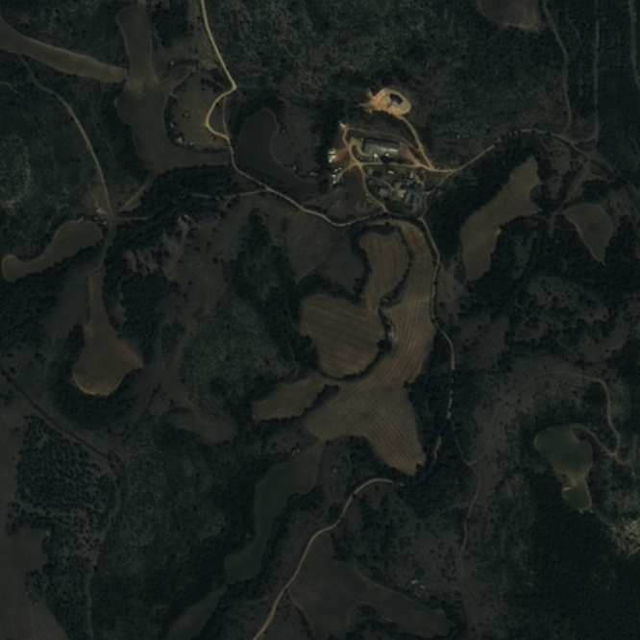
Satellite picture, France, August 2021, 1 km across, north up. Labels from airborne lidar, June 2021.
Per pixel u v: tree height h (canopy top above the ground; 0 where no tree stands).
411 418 0
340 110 8
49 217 8
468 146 0
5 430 0
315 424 0
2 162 0
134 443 0
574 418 11
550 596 11
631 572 10
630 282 9
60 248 0
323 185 9
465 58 9
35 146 0
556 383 0
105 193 0
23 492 8
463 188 11
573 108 7
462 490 6
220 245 0
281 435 0
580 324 8
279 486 0
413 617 0
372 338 0
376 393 0
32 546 0
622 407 0
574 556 11
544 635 6
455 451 9
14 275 0
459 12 7
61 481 8
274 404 0
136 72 0
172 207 13
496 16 0
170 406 6
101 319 0
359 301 9
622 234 6
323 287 9
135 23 0
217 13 0
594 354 0
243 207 0
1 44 0
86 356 0
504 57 12
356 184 0
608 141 6
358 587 0
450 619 7
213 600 0
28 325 10
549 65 8
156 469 0
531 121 0
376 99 0
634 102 11
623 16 8
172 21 16
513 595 7
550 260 7
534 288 0
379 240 0
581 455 0
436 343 11
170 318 0
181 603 6
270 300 8
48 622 0
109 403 9
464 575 0
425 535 0
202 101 0
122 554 0
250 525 12
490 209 0
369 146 0
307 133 0
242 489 13
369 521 6
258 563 0
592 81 9
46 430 7
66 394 11
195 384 0
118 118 10
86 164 0
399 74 11
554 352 7
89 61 0
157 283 13
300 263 0
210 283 0
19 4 17
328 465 0
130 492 0
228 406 9
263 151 0
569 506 6
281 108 8
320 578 0
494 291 13
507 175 7
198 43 0
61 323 0
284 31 0
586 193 6
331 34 0
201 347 0
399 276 0
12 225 8
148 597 8
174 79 0
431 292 0
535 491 9
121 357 0
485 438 0
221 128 0
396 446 0
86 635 10
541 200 6
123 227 7
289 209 0
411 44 6
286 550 0
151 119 0
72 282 0
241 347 0
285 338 8
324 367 0
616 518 9
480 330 7
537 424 6
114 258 9
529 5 0
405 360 0
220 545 14
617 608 6
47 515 8
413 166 0
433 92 0
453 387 7
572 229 7
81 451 7
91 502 8
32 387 0
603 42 9
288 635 0
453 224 12
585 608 8
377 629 9
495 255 7
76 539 7
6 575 0
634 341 8
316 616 0
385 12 0
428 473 12
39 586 9
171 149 0
